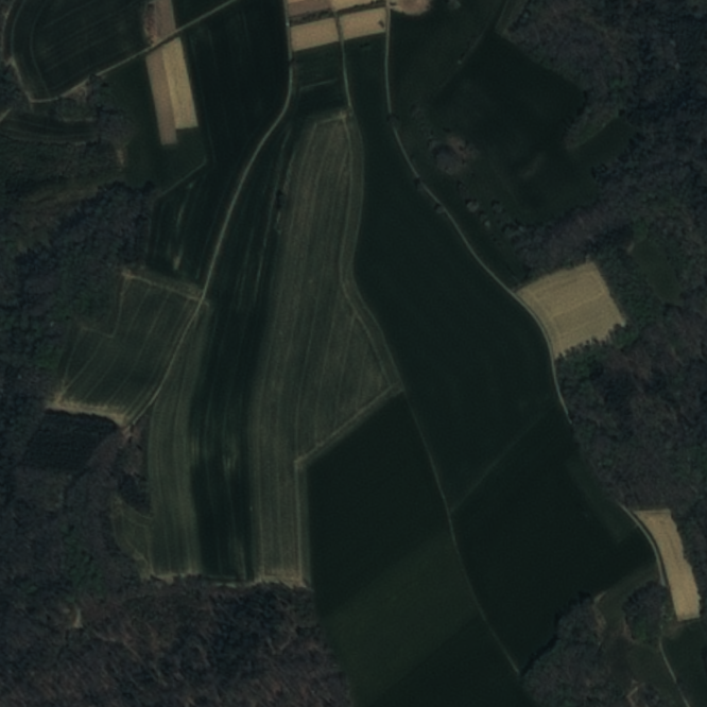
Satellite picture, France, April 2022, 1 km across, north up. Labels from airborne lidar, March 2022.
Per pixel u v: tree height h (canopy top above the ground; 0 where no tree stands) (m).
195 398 0
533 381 0
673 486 29
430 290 0
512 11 0
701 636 0
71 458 21
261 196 0
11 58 0
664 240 12
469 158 0
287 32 0
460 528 0
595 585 0
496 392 0
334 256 0
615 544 0
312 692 25
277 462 0
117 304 0
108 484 28
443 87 0
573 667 30
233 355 0
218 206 0
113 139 30
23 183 11
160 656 0
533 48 18
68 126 0
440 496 0
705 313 29
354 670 0
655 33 25
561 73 13
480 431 0
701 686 0
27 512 28
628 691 0
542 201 0
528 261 21
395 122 16
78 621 0
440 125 0
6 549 29
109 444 27
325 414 0
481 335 0
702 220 16
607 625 0
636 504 26
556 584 0
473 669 0
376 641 0
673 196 27
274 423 0
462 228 0
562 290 0
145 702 23
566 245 34
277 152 0
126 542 0
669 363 35
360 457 0
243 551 0
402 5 0
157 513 0
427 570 0
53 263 24
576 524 0
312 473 0
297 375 0
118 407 0
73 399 0
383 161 0
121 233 32
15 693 24
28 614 10
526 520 0
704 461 27
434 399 0
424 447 0
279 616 28
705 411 21
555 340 0
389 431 0
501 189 0
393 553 0
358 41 0
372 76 0
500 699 0
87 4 0
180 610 6
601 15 14
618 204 31
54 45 0
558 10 35
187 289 0
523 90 0
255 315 0
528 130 0
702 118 39
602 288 0
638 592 0
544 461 0
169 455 0
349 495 0
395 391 0
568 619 18
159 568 0
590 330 0
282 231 0
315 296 0
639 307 27
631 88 18
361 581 0
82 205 0
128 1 0
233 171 0
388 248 0
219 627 9
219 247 0
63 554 30
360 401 0
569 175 0
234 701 24
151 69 0
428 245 0
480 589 0
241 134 0
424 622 0
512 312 0
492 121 0
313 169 0
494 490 0
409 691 0
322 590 0
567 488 0
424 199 0
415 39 0
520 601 0
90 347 0
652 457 30
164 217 0
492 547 0
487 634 0
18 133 0
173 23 0
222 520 0
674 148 26
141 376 0
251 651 7
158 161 0
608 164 0
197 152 0
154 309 0
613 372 25
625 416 33
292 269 0
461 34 0
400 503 0
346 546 0
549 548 0
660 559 0
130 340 0
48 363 28
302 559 0
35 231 7
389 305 0
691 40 29
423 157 0
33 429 30
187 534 0
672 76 31
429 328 0
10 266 26
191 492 0
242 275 0
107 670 28
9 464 31
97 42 0
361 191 0
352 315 0
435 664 0
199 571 0
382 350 0
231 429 0
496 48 0
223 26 0
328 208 0
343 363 0
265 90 0
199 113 0
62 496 13
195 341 0
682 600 0
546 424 0
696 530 24
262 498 0
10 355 18
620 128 0
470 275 0
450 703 0
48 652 8
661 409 21
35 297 30
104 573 26
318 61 0
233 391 0
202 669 25
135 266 15
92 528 29
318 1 0
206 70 0
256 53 0
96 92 16
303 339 0
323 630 7
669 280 0
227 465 0
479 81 0
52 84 0
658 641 19
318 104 0
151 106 0
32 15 0
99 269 24
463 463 0
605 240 23
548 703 26
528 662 0
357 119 0
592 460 23
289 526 0
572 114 0
